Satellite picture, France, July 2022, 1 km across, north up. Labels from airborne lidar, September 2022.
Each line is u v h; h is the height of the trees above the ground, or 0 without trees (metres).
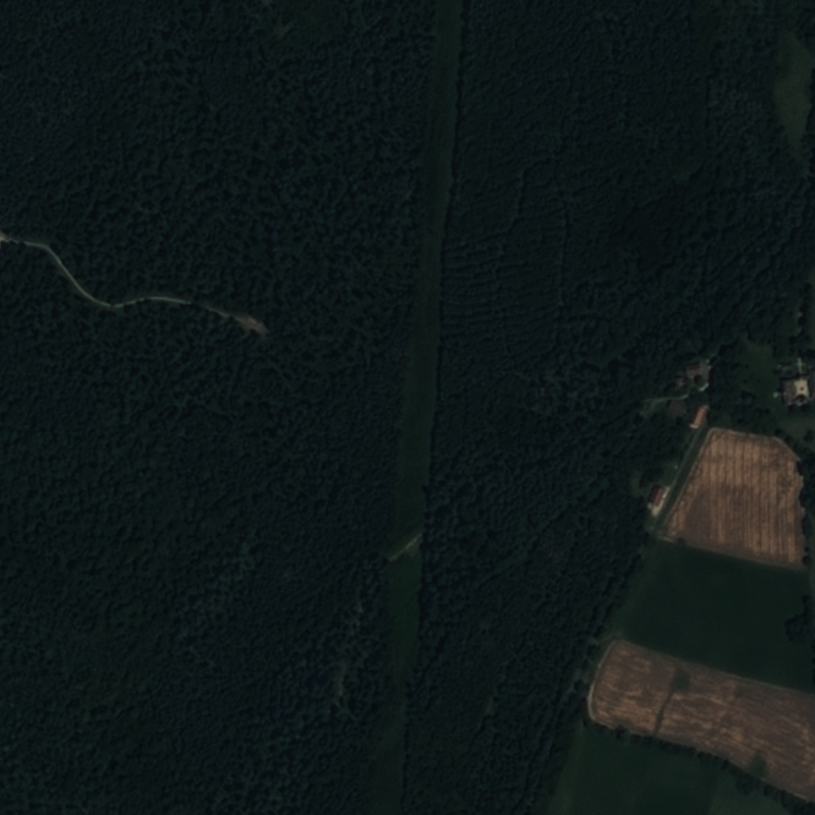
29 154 21
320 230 20
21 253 19
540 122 18
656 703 0
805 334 15
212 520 28
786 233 24
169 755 13
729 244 22
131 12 24
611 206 19
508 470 26
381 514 22
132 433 20
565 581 16
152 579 15
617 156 24
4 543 19
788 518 0
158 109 20
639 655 0
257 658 21
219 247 21
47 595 16
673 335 15
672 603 0
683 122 20
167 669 22
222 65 24
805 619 14
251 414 17
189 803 21
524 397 19
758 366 0
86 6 23
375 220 10
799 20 7
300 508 23
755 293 17
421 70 28
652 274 11
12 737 17
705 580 0
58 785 16
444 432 18
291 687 31
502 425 16
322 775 20
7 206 23
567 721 21
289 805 8
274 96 24
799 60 0
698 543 0
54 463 20
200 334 21
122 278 16
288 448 16
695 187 15
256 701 22
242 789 29
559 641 22
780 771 0
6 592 12
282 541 22
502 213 16
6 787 21
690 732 0
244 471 25
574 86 20
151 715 10
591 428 31
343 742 30
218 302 18
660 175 18
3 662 18
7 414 18
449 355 18
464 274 15
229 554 14
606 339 31
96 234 28
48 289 11
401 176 19
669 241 22
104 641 16
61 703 17
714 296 11
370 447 19
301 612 20
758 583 0
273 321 20
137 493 19
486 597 21
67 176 18
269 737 31
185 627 31
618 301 34
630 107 22
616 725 0
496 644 18
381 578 27
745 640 0
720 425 6
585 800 0
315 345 31
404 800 11
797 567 0
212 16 29
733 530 0
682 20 21
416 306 14
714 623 0
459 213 16
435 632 17
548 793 7
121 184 13
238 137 19
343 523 20
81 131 19
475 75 16
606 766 0
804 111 0
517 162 21
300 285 6
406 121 6
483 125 18
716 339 18
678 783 0
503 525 33
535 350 23
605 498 16
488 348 17
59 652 18
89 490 7
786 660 0
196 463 25
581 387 36
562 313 19
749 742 0
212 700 22
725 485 0
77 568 22
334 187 6
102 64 22
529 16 23
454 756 13
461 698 19
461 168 16
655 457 16
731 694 0
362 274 6
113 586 10
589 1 26
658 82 20
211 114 36
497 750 18
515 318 17
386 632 15
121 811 13
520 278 16
